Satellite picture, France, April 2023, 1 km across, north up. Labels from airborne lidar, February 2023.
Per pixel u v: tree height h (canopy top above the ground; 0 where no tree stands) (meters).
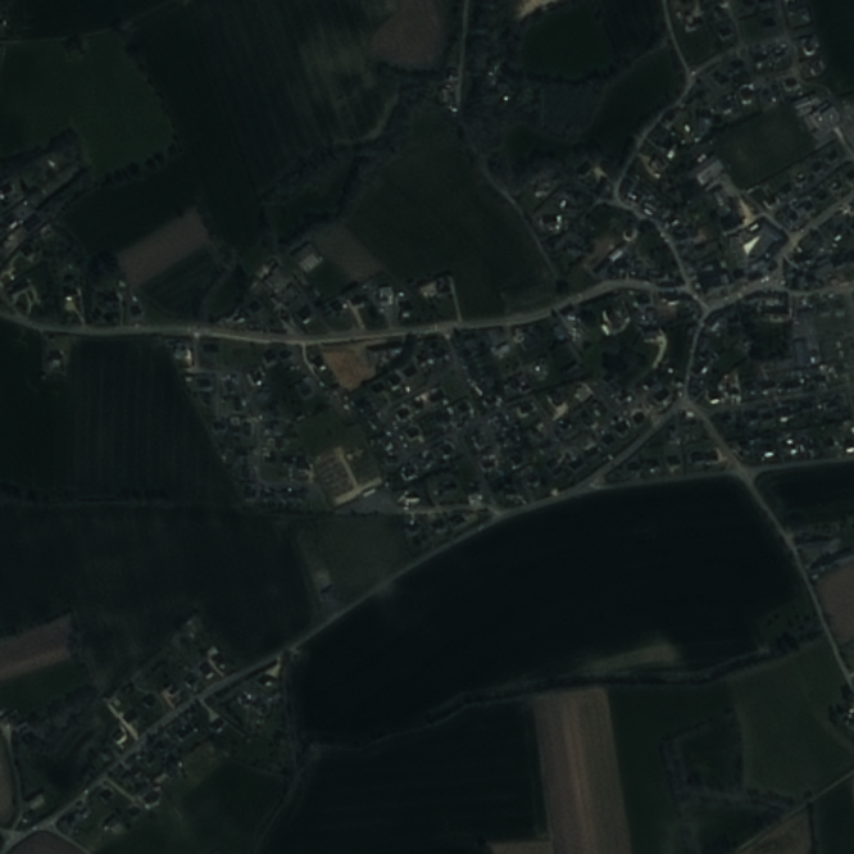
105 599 0
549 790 0
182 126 0
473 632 0
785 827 0
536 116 13
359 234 0
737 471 0
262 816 0
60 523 0
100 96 0
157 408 0
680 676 0
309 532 0
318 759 0
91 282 18
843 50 0
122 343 0
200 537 0
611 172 15
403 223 0
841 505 0
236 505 0
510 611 0
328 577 0
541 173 16
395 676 0
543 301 0
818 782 0
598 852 0
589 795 0
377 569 0
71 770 0
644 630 0
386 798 0
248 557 0
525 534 0
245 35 0
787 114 0
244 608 0
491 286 0
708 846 0
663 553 0
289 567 0
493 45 13
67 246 9
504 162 10
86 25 0
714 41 0
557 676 0
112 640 0
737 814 0
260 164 0
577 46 0
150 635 0
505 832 0
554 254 6
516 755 0
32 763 0
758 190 0
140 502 10
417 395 0
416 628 0
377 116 0
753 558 0
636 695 0
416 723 0
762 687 0
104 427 0
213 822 0
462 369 0
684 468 0
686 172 10
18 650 0
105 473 0
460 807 0
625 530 0
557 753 0
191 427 0
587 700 0
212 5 0
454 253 0
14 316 0
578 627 0
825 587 0
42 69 0
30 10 0
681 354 0
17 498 17
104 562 0
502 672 0
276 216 0
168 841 0
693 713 0
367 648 0
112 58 0
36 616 0
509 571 0
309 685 0
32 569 0
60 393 0
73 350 0
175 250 0
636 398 0
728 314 7
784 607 0
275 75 0
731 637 0
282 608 0
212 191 0
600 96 11
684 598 0
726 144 0
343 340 0
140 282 0
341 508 0
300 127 0
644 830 0
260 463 0
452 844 0
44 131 0
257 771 7
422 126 0
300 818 0
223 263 10
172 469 0
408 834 0
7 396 0
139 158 0
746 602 0
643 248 0
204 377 0
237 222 0
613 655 0
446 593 0
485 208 0
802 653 0
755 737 0
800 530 16
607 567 0
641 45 0
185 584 0
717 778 0
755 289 0
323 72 0
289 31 0
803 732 0
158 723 0
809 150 0
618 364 19
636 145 11
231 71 0
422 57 0
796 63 0
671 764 13
